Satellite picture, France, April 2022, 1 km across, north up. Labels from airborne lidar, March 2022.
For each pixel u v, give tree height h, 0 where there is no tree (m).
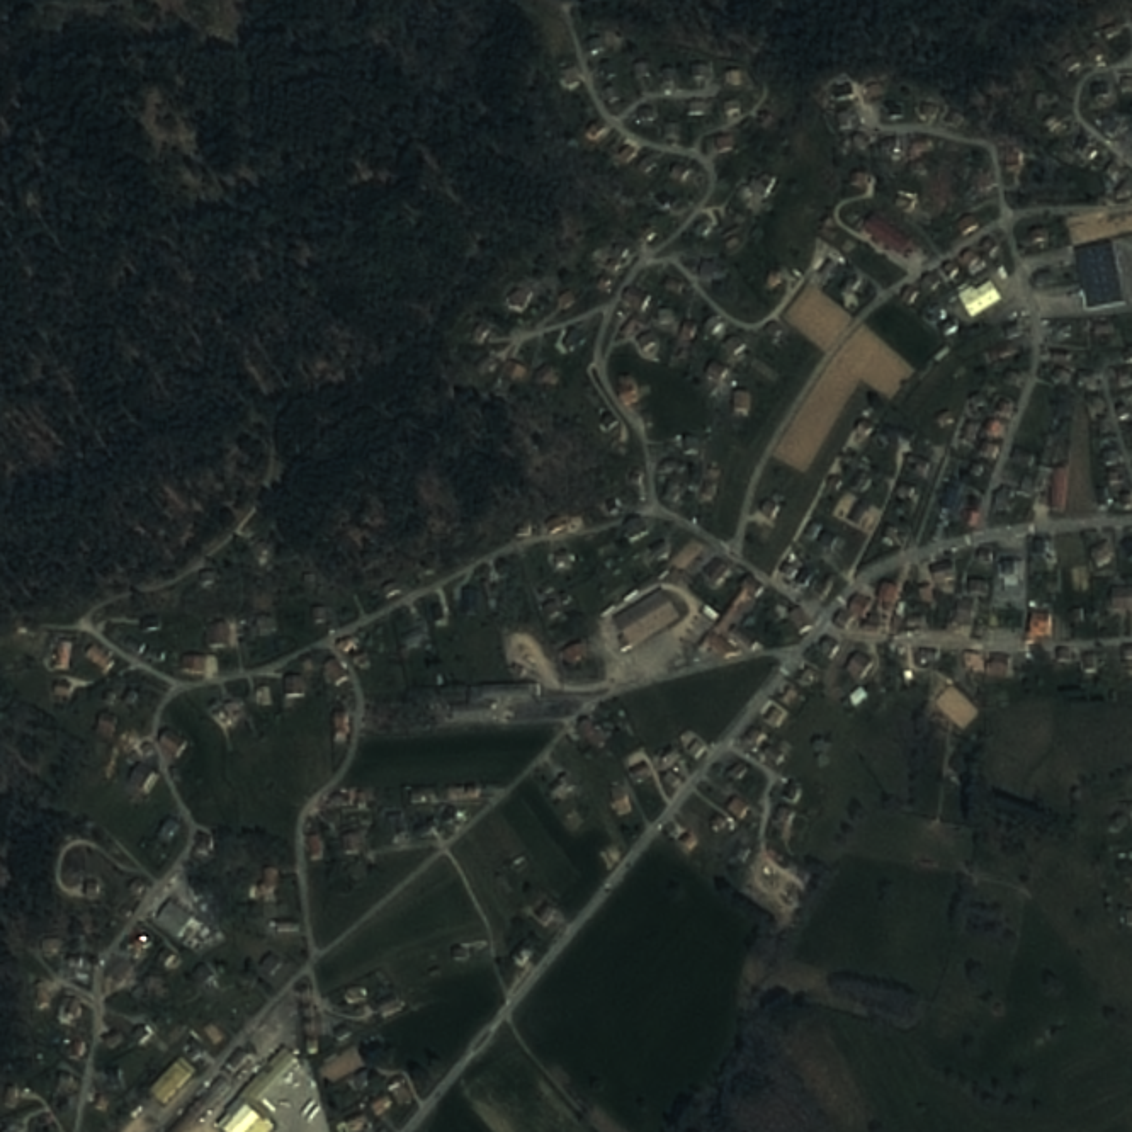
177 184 6
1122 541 0
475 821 0
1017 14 9
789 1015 25
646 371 0
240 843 20
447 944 0
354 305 16
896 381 0
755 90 0
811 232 0
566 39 0
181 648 0
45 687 0
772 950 21
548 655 0
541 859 0
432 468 15
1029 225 0
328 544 7
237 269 25
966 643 0
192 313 28
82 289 29
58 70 25
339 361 25
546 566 0
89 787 0
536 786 0
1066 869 0
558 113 13
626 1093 0
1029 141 13
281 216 25
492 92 23
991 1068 0
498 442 19
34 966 0
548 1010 0
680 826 0
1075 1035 0
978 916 19
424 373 11
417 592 0
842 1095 0
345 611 6
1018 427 0
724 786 0
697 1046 0
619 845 0
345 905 0
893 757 0
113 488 26
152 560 26
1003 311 0
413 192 13
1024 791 0
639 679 0
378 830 7
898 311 0
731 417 0
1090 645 0
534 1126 0
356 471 12
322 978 0
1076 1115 0
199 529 18
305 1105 0
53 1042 0
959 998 0
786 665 0
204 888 24
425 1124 0
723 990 0
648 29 16
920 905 0
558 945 0
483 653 0
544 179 15
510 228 20
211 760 0
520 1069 0
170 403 32
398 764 0
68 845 0
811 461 0
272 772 0
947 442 0
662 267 0
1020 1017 0
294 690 0
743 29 22
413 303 15
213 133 23
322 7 19
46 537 22
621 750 7
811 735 0
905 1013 25
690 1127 21
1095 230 0
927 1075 0
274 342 29
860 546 0
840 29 27
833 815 0
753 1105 23
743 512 0
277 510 19
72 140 34
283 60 36
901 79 13
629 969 0
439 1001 0
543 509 13
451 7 26
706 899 0
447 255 12
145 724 0
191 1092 0
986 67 9
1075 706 0
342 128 32
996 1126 0
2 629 22
